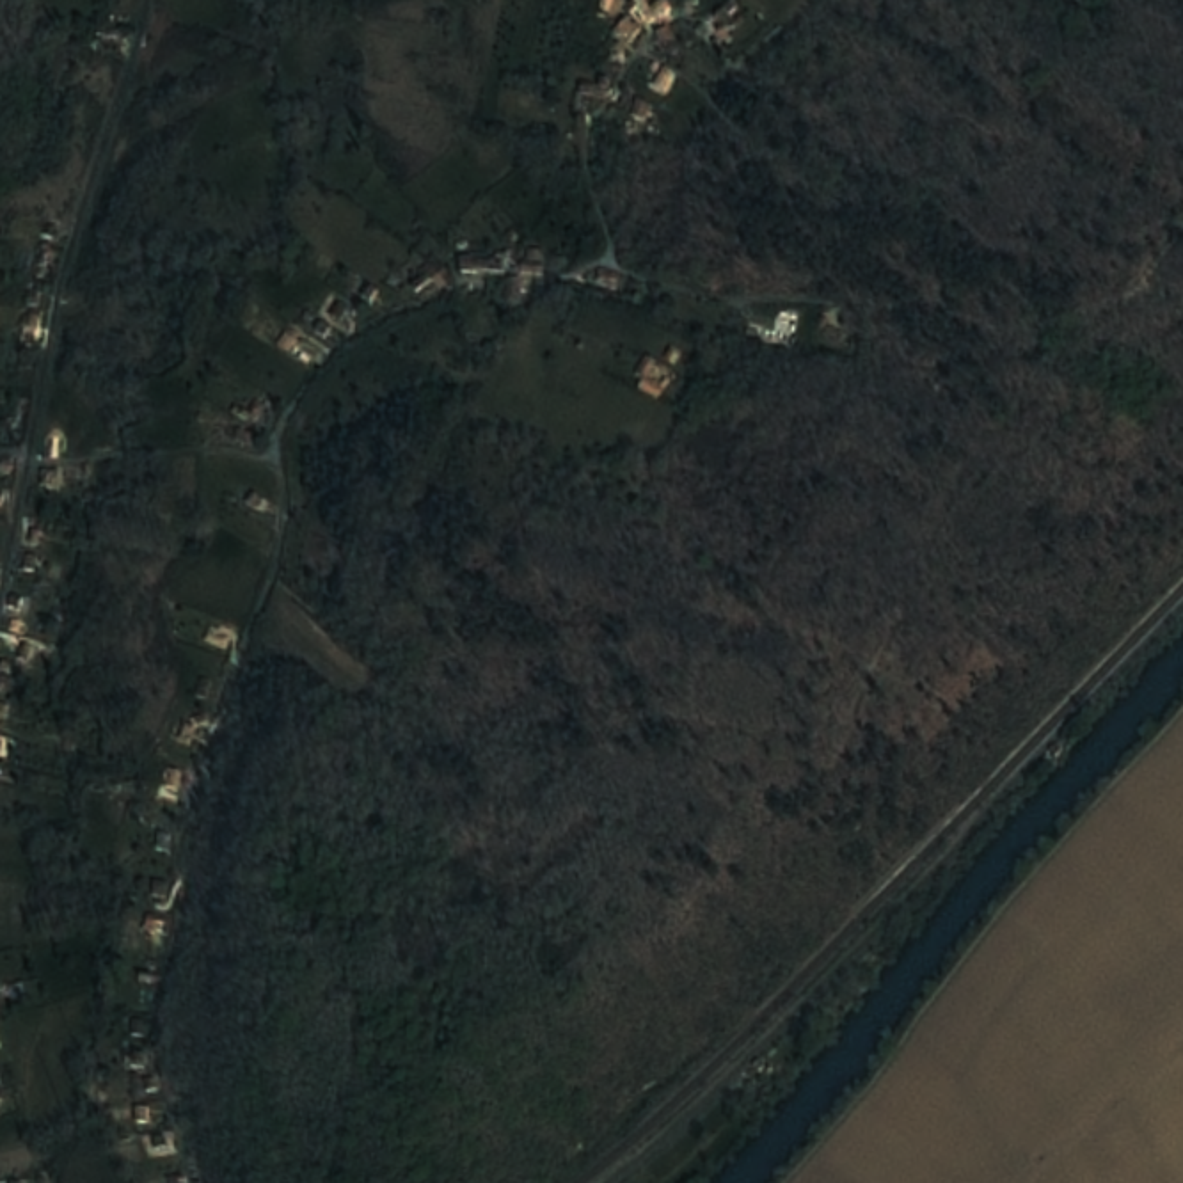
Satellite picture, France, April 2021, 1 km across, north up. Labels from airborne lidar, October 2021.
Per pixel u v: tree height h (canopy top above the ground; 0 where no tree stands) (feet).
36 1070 0
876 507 43
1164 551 52
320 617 31
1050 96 21
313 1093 51
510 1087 70
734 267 25
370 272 0
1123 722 0
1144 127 83
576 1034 51
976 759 42
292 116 56
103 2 19
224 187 0
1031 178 44
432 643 57
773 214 67
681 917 47
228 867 63
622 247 41
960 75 89
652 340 0
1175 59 54
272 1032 53
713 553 32
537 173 72
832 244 76
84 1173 0
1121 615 38
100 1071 54
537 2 24
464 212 0
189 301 110
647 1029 62
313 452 0
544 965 21
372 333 24
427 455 74
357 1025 31
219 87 22
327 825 80
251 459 0
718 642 38
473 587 72
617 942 47
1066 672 36
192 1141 22
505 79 34
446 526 62
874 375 42
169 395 0
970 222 45
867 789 36
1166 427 37
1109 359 61
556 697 90
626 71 0
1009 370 65
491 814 64
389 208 0
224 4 0
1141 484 32
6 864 0
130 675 28
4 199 59
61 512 25
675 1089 47
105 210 24
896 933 56
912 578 38
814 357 36
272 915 71
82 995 0
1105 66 58
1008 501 33
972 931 38
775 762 47
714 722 52
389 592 41
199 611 0
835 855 54
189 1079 62
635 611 34
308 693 43
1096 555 38
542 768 67
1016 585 44
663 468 63
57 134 49
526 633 93
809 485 32
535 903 49
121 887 73
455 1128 60
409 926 34
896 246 82
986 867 0
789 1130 0
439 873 63
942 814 47
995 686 51
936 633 34
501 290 20
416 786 90
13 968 0
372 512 47
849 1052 0
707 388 26
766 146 32
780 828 54
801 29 49
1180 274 42
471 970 58
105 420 0
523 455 30
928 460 86
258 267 46
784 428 25
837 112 78
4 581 0
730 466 32
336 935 33
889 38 70
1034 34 50
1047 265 21
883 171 70
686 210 40
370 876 58
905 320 54
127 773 43
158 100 53
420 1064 59
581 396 0
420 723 77
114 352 30
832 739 54
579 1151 71
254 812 57
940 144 52
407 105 0
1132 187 31
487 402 0
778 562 21
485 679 41
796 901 56
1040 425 29
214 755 32
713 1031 57
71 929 49
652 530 40
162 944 0
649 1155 0
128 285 63
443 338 0
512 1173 61
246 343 0
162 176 76
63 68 27
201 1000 40
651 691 51
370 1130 54
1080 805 52
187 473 0
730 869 41
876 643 39
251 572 0
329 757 73
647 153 38
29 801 0
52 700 28
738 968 59
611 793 48
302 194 60
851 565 47
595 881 41
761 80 57
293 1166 63
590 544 43
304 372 0
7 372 57
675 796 50
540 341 0
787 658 55
